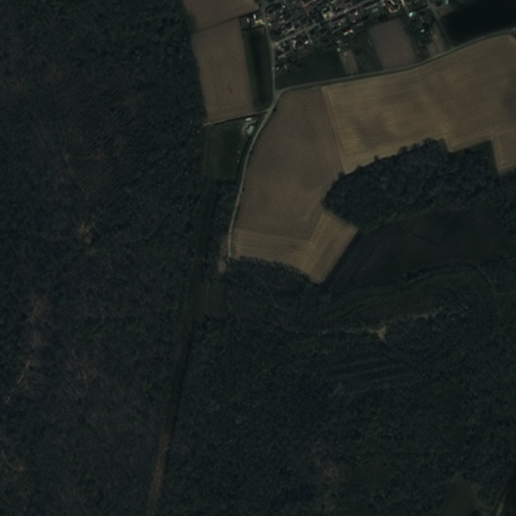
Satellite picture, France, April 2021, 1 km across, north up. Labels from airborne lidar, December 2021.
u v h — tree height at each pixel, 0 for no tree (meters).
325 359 19
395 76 0
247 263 20
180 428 26
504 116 0
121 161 6
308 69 0
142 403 23
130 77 21
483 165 22
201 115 22
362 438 17
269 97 0
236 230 0
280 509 17
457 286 21
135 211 11
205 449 25
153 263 21
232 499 27
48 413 19
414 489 17
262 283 7
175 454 30
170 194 20
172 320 23
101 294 24
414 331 15
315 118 0
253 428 19
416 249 0
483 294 17
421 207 21
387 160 6
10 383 24
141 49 17
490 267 18
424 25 9
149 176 24
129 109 9
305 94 0
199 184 18
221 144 0
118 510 25
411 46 0
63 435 18
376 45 0
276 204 0
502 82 0
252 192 0
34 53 24
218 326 15
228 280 7
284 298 20
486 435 25
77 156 8
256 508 7
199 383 13
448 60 0
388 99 0
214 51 0
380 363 19
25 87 7
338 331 14
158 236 22
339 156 0
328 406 19
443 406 14
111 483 29
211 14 0
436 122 0
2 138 12
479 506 0
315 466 12
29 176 25
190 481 20
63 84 8
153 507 0
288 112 0
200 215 18
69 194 26
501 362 26
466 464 14
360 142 0
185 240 25
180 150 13
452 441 16
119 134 8
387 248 0
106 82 25
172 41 12
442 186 26
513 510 0
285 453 18
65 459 15
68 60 10
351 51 0
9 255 25
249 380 12
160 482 0
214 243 20
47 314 0
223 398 22
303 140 0
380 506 28
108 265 23
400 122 0
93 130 8
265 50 0
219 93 0
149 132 12
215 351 15
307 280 21
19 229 31
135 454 24
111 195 11
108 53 19
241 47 0
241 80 0
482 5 0
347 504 11
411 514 25
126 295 28
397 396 19
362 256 0
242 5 0
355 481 14
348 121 0
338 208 18
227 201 22
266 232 0
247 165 0
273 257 0
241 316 13
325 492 21
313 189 0
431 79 0
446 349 16
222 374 21
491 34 0
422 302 18
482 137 0
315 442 6
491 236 0
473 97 0
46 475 23
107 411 23
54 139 22
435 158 24
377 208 29
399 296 19
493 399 24
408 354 20
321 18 11
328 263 0
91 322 20
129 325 23
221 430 20
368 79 0
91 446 25
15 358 24
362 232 12
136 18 25
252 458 23
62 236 17
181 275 28
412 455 9
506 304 8
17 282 26
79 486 24
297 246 0
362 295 19
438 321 9
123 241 19
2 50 21
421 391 12
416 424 16
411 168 23
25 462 13
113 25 22
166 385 27
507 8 0
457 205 28
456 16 0
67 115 8
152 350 22
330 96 0
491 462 21
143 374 24
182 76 25
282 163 0
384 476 15
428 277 17
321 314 18
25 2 23
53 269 27
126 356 22
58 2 18
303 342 19
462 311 23
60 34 24
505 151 0
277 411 17
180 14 20
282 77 0
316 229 0
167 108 27
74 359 21
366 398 16
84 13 21
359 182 24
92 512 26
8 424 25
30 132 24
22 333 23
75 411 23
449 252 0
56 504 24
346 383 13
